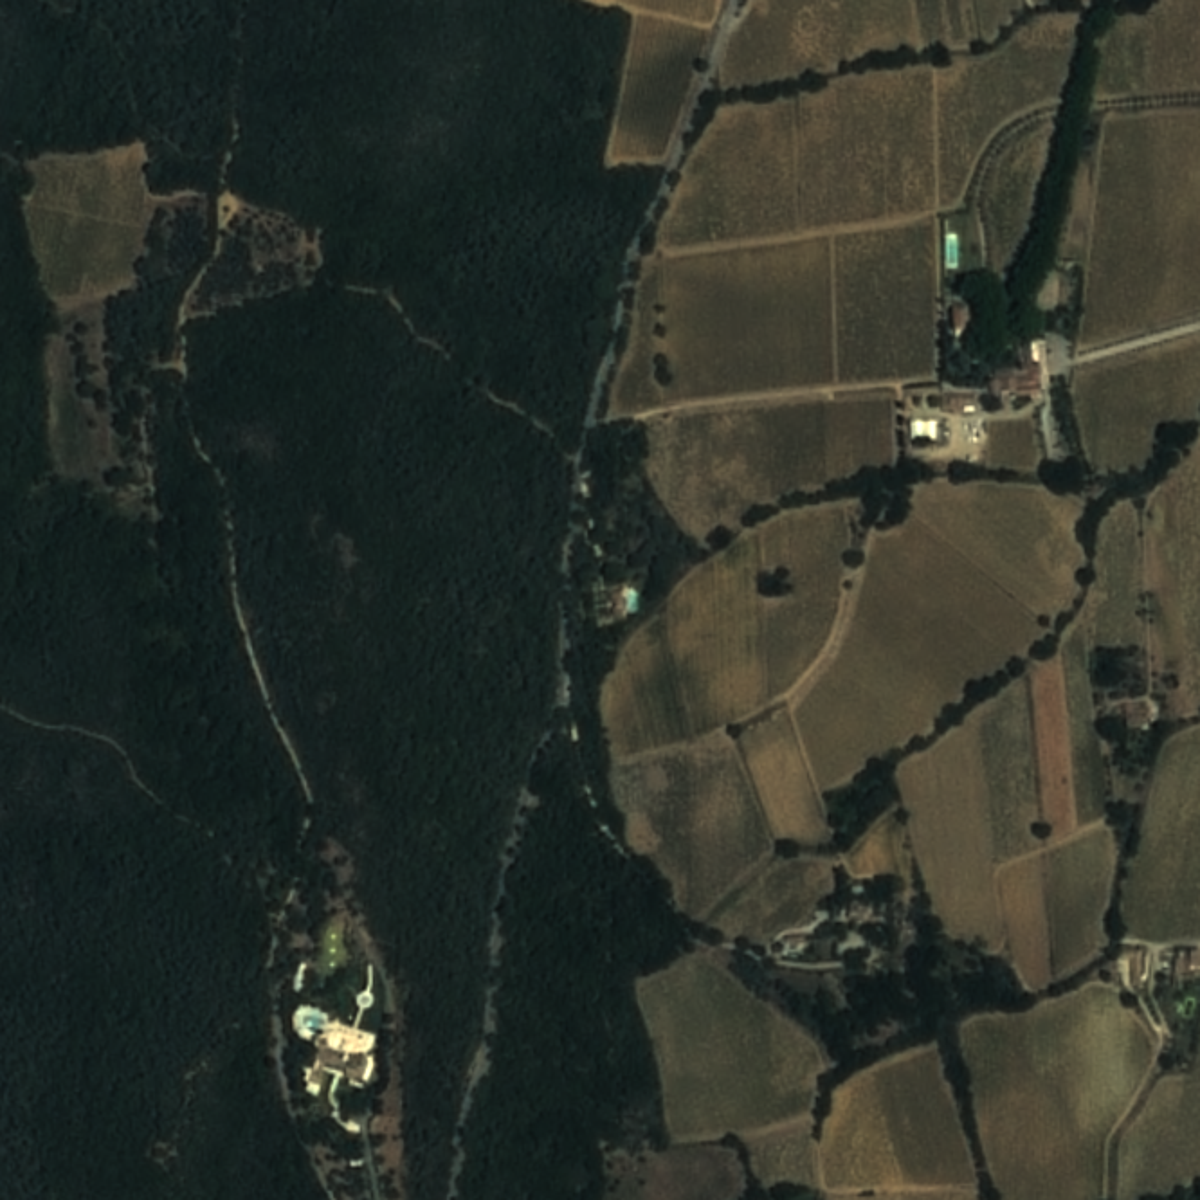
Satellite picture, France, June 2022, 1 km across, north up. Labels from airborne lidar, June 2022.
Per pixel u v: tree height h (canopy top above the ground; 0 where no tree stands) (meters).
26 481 12
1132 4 15
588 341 12
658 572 13
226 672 9
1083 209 0
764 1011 0
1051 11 13
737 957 9
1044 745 0
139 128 9
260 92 10
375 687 7
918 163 0
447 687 11
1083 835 0
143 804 8
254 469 7
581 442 12
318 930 11
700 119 9
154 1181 7
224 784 17
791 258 0
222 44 9
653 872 11
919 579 0
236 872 10
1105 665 8
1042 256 25
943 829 0
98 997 9
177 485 13
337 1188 6
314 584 6
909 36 0
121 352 8
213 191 8
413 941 9
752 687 0
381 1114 14
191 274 10
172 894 12
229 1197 7
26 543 16
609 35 6
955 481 10
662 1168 0
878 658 0
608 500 8
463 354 10
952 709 12
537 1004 9
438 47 6
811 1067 0
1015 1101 0
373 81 7
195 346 8
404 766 10
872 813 9
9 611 6
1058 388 10
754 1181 9
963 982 10
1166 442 15
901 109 0
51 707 6
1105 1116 0
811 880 0
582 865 13
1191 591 0
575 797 8
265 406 6
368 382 10
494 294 7
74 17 8
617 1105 9
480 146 8
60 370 0
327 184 10
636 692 0
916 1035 11
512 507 11
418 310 8
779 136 0
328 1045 0
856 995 12
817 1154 0
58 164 0
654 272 0
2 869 11
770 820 0
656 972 9
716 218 0
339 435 7
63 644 7
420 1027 9
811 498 11
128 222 0
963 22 0
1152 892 0
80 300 0
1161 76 0
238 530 8
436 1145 10
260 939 6
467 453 13
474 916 15
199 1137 11
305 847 8
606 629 13
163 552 11
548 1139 14
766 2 0
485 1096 11
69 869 6
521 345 11
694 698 0
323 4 7
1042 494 0
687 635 0
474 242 16
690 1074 0
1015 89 0
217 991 12
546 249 14
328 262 9
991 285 28
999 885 0
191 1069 11
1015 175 0
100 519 12
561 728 13
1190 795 0
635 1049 7
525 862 14
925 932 13
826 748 0
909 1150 0
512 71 8
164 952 10
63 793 6
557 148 10
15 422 11
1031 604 0
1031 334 22
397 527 6
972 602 0
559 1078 8
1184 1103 0
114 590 6
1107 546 0
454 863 15
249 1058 8
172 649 12
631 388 0
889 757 10
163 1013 7
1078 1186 0
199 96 12
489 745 16
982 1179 7
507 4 7
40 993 7
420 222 12
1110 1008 0
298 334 13
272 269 8
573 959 10
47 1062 7
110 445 0
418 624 10
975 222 0
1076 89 19
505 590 14
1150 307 0
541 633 14
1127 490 13
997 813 0
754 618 0
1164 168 0
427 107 6
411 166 6
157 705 12
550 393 6
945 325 8
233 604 7
